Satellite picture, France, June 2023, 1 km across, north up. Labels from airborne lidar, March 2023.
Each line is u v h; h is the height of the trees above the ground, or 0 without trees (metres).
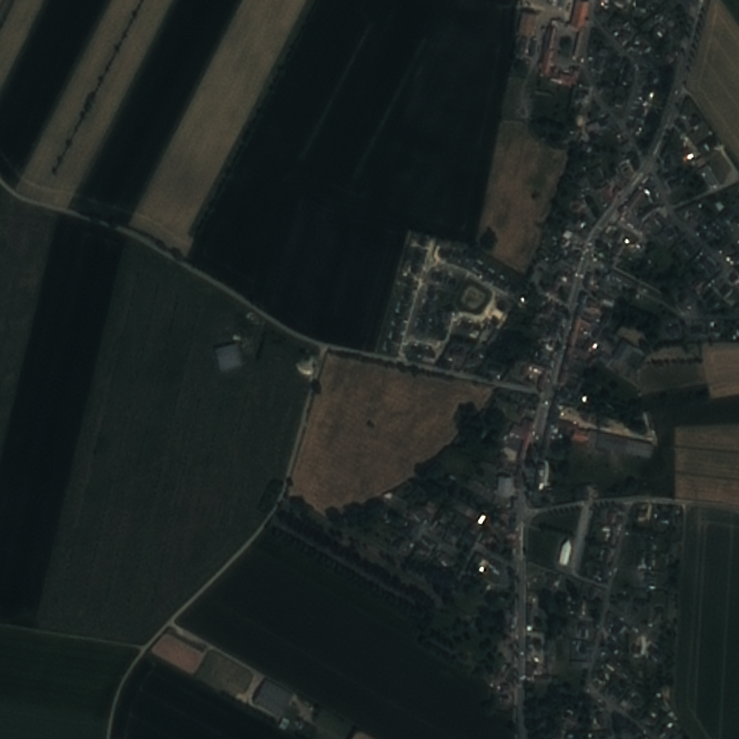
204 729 0
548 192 0
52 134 0
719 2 0
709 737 0
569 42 13
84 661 0
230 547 0
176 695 0
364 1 0
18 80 0
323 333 0
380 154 0
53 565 0
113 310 0
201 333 0
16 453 0
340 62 0
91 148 0
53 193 0
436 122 0
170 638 0
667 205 0
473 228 0
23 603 0
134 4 0
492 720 0
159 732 0
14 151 0
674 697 0
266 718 8
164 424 0
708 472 0
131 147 0
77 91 0
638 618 0
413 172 0
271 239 0
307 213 0
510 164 0
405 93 0
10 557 0
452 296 0
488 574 0
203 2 0
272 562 0
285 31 0
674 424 0
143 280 0
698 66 0
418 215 0
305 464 0
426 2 0
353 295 0
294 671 0
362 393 0
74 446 0
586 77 0
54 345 0
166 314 0
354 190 0
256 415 0
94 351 0
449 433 0
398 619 0
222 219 0
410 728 0
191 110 0
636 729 8
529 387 0
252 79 0
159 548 0
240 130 0
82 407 0
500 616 22
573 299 0
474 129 0
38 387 0
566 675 0
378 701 0
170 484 0
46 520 0
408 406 0
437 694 0
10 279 0
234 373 0
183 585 0
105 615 0
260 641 0
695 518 0
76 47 0
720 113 0
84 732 0
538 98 0
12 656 0
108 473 0
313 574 0
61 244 0
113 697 0
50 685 0
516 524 0
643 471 0
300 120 0
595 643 0
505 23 0
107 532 0
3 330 0
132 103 0
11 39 0
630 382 0
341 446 0
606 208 0
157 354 0
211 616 0
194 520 0
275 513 0
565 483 0
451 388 0
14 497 0
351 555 13
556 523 0
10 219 0
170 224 0
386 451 0
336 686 0
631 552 0
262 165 0
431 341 0
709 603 0
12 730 0
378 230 0
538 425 0
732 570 0
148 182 0
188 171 0
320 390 10
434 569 15
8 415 0
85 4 0
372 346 0
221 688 0
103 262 0
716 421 0
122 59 0
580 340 0
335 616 0
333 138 0
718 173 0
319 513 0
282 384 0
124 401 0
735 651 0
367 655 0
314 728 0
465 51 0
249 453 0
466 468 0
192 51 0
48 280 0
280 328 0
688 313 0
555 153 0
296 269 0
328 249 0
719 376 0
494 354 14
